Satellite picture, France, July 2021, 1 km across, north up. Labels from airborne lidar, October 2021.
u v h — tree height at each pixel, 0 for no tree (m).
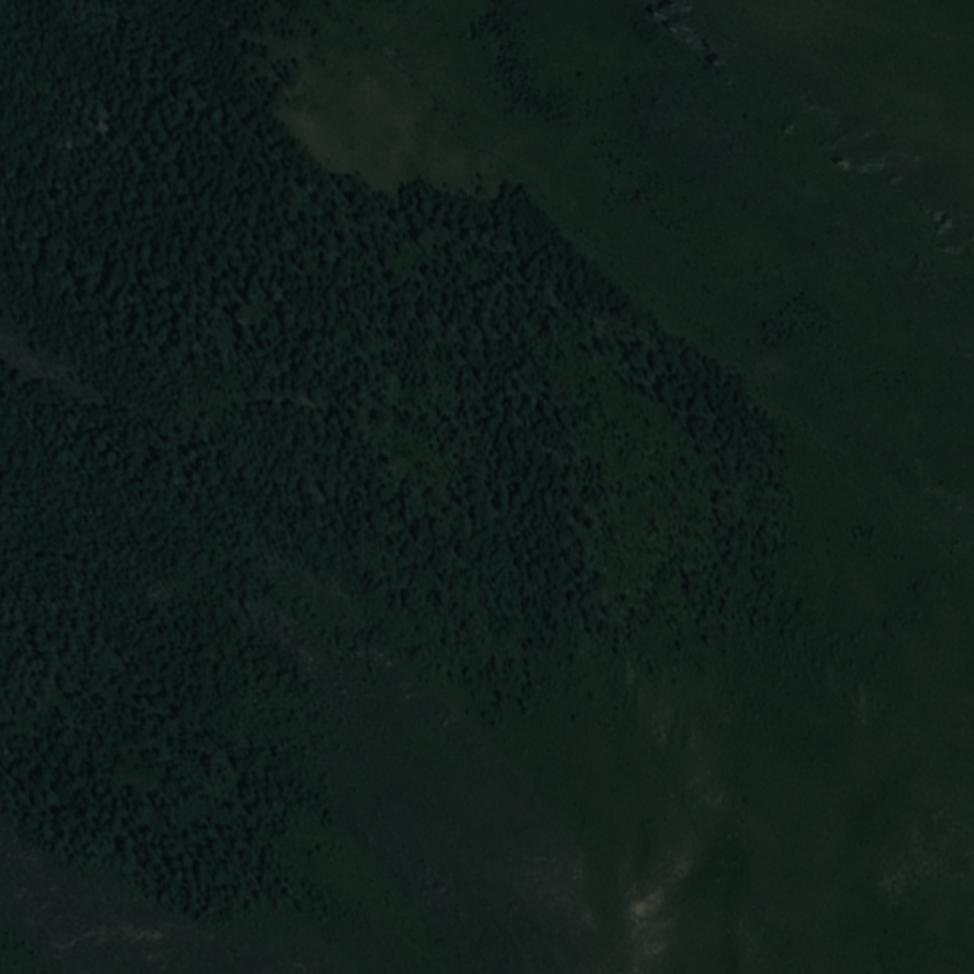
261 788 20
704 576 18
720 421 7
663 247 0
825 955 0
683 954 0
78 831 7
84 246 15
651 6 9
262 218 17
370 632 6
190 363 11
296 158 29
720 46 0
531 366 30
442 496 16
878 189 0
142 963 0
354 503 11
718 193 0
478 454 8
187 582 7
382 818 0
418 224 34
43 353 10
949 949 0
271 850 9
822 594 0
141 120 26
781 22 0
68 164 22
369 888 0
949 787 0
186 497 15
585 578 24
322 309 15
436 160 0
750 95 0
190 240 24
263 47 9
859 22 0
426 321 21
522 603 8
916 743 0
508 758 0
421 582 12
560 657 0
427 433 7
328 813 12
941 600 0
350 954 0
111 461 22
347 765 0
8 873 0
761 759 0
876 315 0
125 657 20
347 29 0
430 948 0
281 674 10
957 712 0
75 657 11
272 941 0
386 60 0
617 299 14
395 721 0
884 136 0
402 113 0
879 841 0
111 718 11
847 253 0
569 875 0
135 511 5
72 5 28
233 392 8
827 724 0
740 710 0
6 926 0
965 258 0
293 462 15
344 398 18
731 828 0
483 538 15
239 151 29
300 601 8
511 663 7
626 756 0
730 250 0
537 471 26
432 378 15
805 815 0
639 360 30
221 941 0
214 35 21
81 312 11
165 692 14
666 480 12
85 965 0
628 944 0
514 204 18
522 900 0
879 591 0
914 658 0
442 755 0
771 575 7
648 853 0
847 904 0
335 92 0
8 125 18
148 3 19
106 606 12
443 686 0
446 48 0
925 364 0
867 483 0
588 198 0
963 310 0
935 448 0
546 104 8
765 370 0
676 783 0
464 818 0
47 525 10
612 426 10
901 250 0
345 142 0
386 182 0
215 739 18
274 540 11
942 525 0
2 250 18
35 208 28
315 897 7
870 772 0
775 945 0
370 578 19
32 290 13
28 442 7
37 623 12
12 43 19
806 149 0
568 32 0
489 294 34
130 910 0
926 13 0
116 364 14
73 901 0
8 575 25
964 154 0
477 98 0
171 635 12
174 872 8
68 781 16
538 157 0
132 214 27
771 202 0
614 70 0
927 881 0
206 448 22
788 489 11
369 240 6
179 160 14
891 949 0
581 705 0
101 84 24
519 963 0
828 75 0
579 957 0
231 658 7
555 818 0
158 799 16
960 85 0
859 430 0
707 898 0
